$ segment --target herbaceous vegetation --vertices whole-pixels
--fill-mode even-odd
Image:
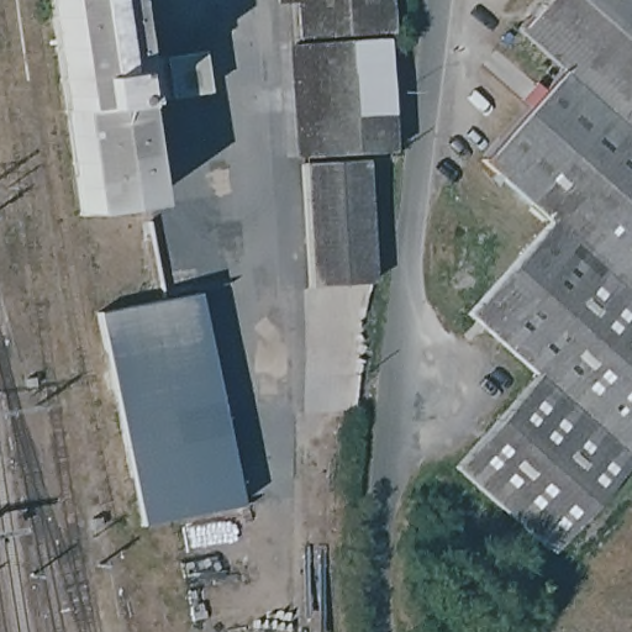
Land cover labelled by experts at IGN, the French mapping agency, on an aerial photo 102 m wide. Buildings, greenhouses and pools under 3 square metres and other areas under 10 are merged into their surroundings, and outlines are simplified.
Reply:
[[[501,272],[543,227],[543,222],[528,212],[523,202],[516,200],[516,195],[506,185],[496,183],[496,165],[491,163],[491,158],[501,156],[514,143],[514,138],[536,119],[541,109],[531,106],[511,84],[506,84],[496,72],[481,64],[476,72],[476,84],[486,86],[496,96],[496,104],[489,106],[491,114],[474,126],[479,141],[472,143],[469,156],[459,165],[462,178],[457,183],[447,180],[442,193],[432,202],[422,267],[425,294],[430,304],[444,331],[457,336],[467,333],[474,323],[469,316],[472,306],[486,294],[486,289],[501,277]]]
[[[121,439],[119,410],[111,390],[104,383],[106,356],[101,346],[99,314],[160,301],[165,277],[153,222],[148,220],[141,227],[136,222],[138,212],[106,217],[81,215],[79,210],[69,119],[64,111],[59,57],[54,49],[52,0],[0,0],[0,281],[10,316],[10,333],[5,333],[2,341],[10,348],[10,365],[20,393],[20,402],[25,397],[32,397],[35,405],[64,410],[74,489],[79,491],[81,509],[86,511],[86,523],[101,518],[109,528],[109,541],[114,548],[104,555],[104,563],[116,565],[119,585],[123,588],[119,602],[126,632],[198,632],[185,630],[185,625],[190,622],[190,590],[185,588],[183,570],[178,570],[178,558],[188,553],[183,528],[180,523],[153,521],[148,521],[148,526],[141,526],[136,489],[128,474],[128,462]]]
[[[516,541],[523,533],[521,521],[494,506],[479,511],[469,501],[469,496],[464,496],[459,504],[452,504],[449,511],[454,514],[454,518],[464,521],[464,531],[432,538],[430,553],[435,558],[447,551],[467,551],[472,555],[474,551],[484,551],[486,543],[509,546]]]
[[[523,20],[521,10],[528,7],[533,0],[506,0],[506,5],[494,10],[499,22],[496,27],[489,27],[486,42],[491,49],[516,62],[531,81],[546,86],[553,84],[558,67],[553,67],[551,59],[541,57],[536,47],[531,47],[531,42],[526,42],[518,35]]]
[[[395,568],[393,563],[388,570],[388,583],[393,588],[390,632],[402,632],[415,627],[415,620],[407,612],[410,590],[405,585],[405,568]]]
[[[343,600],[338,597],[333,602],[333,632],[348,632]]]
[[[405,151],[412,146],[412,138],[420,128],[415,52],[405,52],[395,59],[400,91],[400,148]]]
[[[395,511],[390,518],[390,541],[402,538],[402,533],[410,526],[410,511],[415,504],[407,496],[397,494]]]
[[[368,420],[360,479],[360,494],[365,496],[375,425],[375,400],[368,397],[368,385],[380,368],[383,328],[390,299],[390,269],[397,264],[395,173],[407,165],[405,153],[393,158],[375,156],[373,160],[383,277],[378,277],[370,284],[373,291],[363,316],[365,353],[358,405]]]
[[[588,565],[575,563],[565,551],[541,551],[543,568],[553,575],[551,585],[555,585],[553,607],[563,612],[553,632],[632,632],[632,531],[622,538],[612,536],[612,541],[597,546],[597,555]]]
[[[476,333],[474,338],[476,348],[484,353],[486,363],[494,370],[506,368],[511,373],[511,385],[496,393],[499,405],[494,405],[491,410],[499,417],[509,410],[509,405],[514,405],[516,395],[531,380],[531,370],[523,368],[504,346],[494,343],[489,333]]]

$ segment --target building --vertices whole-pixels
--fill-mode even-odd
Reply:
[[[81,215],[106,217],[138,212],[136,222],[141,227],[148,220],[153,222],[158,210],[173,207],[173,180],[163,128],[163,106],[173,104],[175,99],[185,99],[190,109],[200,111],[205,96],[215,94],[215,72],[210,57],[163,57],[158,52],[151,0],[52,0],[54,49],[59,57],[64,111],[69,119],[79,210]]]
[[[383,277],[373,160],[375,156],[393,158],[405,153],[405,151],[400,148],[400,91],[395,59],[395,40],[400,27],[400,7],[407,5],[407,0],[284,0],[299,2],[304,17],[304,40],[294,44],[294,94],[299,121],[299,151],[309,163],[301,165],[309,286],[318,286],[321,281],[328,286],[370,284],[378,277]]]
[[[595,514],[602,511],[605,504],[610,506],[610,501],[622,489],[620,479],[627,472],[632,472],[632,0],[533,0],[528,7],[521,10],[523,20],[518,35],[526,42],[531,42],[531,47],[536,47],[541,57],[551,59],[553,67],[558,67],[553,84],[546,86],[548,101],[541,109],[536,119],[514,138],[514,143],[501,156],[491,158],[491,163],[496,165],[496,183],[506,185],[516,195],[516,200],[523,202],[528,212],[543,222],[543,227],[501,272],[501,277],[486,289],[486,294],[472,306],[469,316],[474,323],[467,333],[474,338],[476,333],[489,333],[494,343],[504,346],[523,368],[531,370],[531,380],[516,395],[514,405],[509,405],[509,410],[499,417],[494,427],[474,430],[472,437],[476,437],[479,442],[457,467],[459,474],[494,506],[521,521],[523,533],[516,541],[523,548],[541,551],[565,551],[565,546],[575,546],[575,533],[583,528],[583,523],[597,528],[602,526],[600,518],[595,518]]]
[[[239,509],[249,501],[207,299],[205,294],[195,294],[185,299],[160,301],[99,314],[101,346],[106,356],[104,383],[111,390],[119,410],[121,439],[128,462],[128,474],[136,489],[141,526],[148,526],[148,521],[153,521],[180,523],[183,528],[193,516]]]

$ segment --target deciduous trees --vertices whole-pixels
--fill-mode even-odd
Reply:
[[[390,541],[393,563],[395,568],[405,568],[405,585],[410,590],[407,612],[415,620],[415,627],[402,632],[553,632],[563,612],[553,607],[555,585],[551,585],[553,575],[543,568],[541,551],[523,548],[516,541],[509,546],[486,543],[484,551],[474,551],[472,555],[467,551],[447,551],[435,558],[430,553],[432,538],[464,531],[464,521],[454,518],[454,514],[449,511],[452,504],[459,504],[464,496],[469,496],[469,501],[479,511],[494,506],[459,474],[457,467],[449,459],[422,464],[407,489],[407,496],[415,504],[410,511],[410,526],[402,533],[402,538]]]
[[[338,430],[341,449],[333,457],[331,474],[333,494],[338,494],[346,501],[341,546],[331,548],[328,553],[333,602],[338,597],[343,600],[348,632],[373,632],[370,625],[375,610],[368,605],[365,595],[370,593],[373,568],[365,553],[365,541],[373,538],[370,518],[375,514],[375,504],[365,496],[360,494],[360,479],[368,420],[358,405],[346,410],[343,415]]]
[[[400,27],[395,40],[395,59],[405,52],[415,52],[415,27]]]

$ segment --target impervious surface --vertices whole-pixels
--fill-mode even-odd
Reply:
[[[309,163],[299,151],[299,121],[294,94],[294,44],[304,40],[304,17],[299,2],[284,0],[151,0],[158,52],[163,57],[210,57],[215,72],[215,94],[205,96],[200,111],[190,109],[185,99],[175,99],[173,104],[163,106],[163,128],[173,180],[173,207],[158,210],[153,222],[165,277],[160,301],[185,299],[195,294],[205,294],[207,299],[249,501],[284,501],[294,496],[296,412],[309,410],[331,412],[333,417],[343,415],[346,410],[358,405],[365,353],[363,316],[373,291],[370,284],[328,286],[321,281],[318,286],[309,286],[301,165]]]
[[[511,385],[511,373],[506,368],[494,370],[486,363],[484,353],[476,348],[474,338],[467,333],[457,336],[452,343],[425,346],[415,336],[415,318],[422,316],[422,306],[430,304],[425,294],[422,267],[432,202],[442,193],[447,180],[457,183],[462,178],[459,165],[469,156],[462,156],[459,146],[449,141],[459,133],[454,131],[457,59],[444,54],[449,0],[407,0],[407,5],[400,7],[400,27],[415,27],[415,52],[420,128],[412,138],[412,146],[405,151],[405,153],[407,165],[395,173],[397,264],[390,269],[390,299],[383,328],[380,368],[368,385],[368,397],[375,400],[375,425],[365,496],[375,504],[375,514],[370,518],[373,538],[365,541],[365,553],[373,568],[370,593],[365,595],[368,605],[375,610],[370,625],[373,632],[390,632],[393,588],[388,583],[388,570],[393,563],[390,541],[390,518],[395,511],[397,494],[407,496],[407,489],[422,464],[449,459],[457,467],[479,442],[476,437],[472,437],[474,430],[494,427],[499,417],[491,410],[494,405],[499,405],[496,393]]]

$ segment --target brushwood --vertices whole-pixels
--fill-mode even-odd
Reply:
[[[597,528],[583,523],[583,528],[575,533],[575,546],[565,546],[565,551],[575,563],[588,565],[597,555],[597,546],[612,541],[612,536],[622,538],[632,531],[632,472],[627,472],[620,479],[622,489],[610,501],[610,506],[605,504],[602,511],[595,514],[595,518],[600,518],[602,526]]]

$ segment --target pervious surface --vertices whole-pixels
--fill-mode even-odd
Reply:
[[[119,602],[123,588],[119,585],[116,565],[104,563],[104,555],[114,548],[109,541],[109,528],[101,518],[86,523],[86,511],[81,509],[79,491],[74,489],[64,410],[35,405],[32,397],[25,397],[20,402],[20,393],[10,365],[10,348],[2,341],[5,333],[10,333],[10,316],[0,281],[0,632],[126,632]]]
[[[333,417],[331,412],[309,410],[296,412],[294,496],[284,501],[249,501],[239,509],[193,516],[183,528],[188,553],[178,558],[178,570],[183,570],[185,588],[190,590],[190,622],[185,625],[185,630],[198,632],[333,632],[333,602],[328,553],[331,548],[341,546],[346,501],[338,494],[333,494],[331,474],[333,457],[341,449],[338,430],[343,415]]]
[[[415,336],[425,346],[452,343],[457,336],[444,331],[430,304],[422,306],[422,316],[415,318]]]
[[[457,59],[454,131],[459,133],[449,141],[459,146],[462,156],[469,156],[472,143],[479,141],[474,126],[491,114],[489,106],[496,104],[496,96],[486,86],[476,84],[476,72],[481,64],[496,72],[506,84],[511,84],[531,106],[541,109],[548,101],[546,86],[531,81],[516,62],[491,49],[486,42],[489,27],[496,27],[499,22],[494,10],[506,5],[506,0],[449,0],[444,54]]]

